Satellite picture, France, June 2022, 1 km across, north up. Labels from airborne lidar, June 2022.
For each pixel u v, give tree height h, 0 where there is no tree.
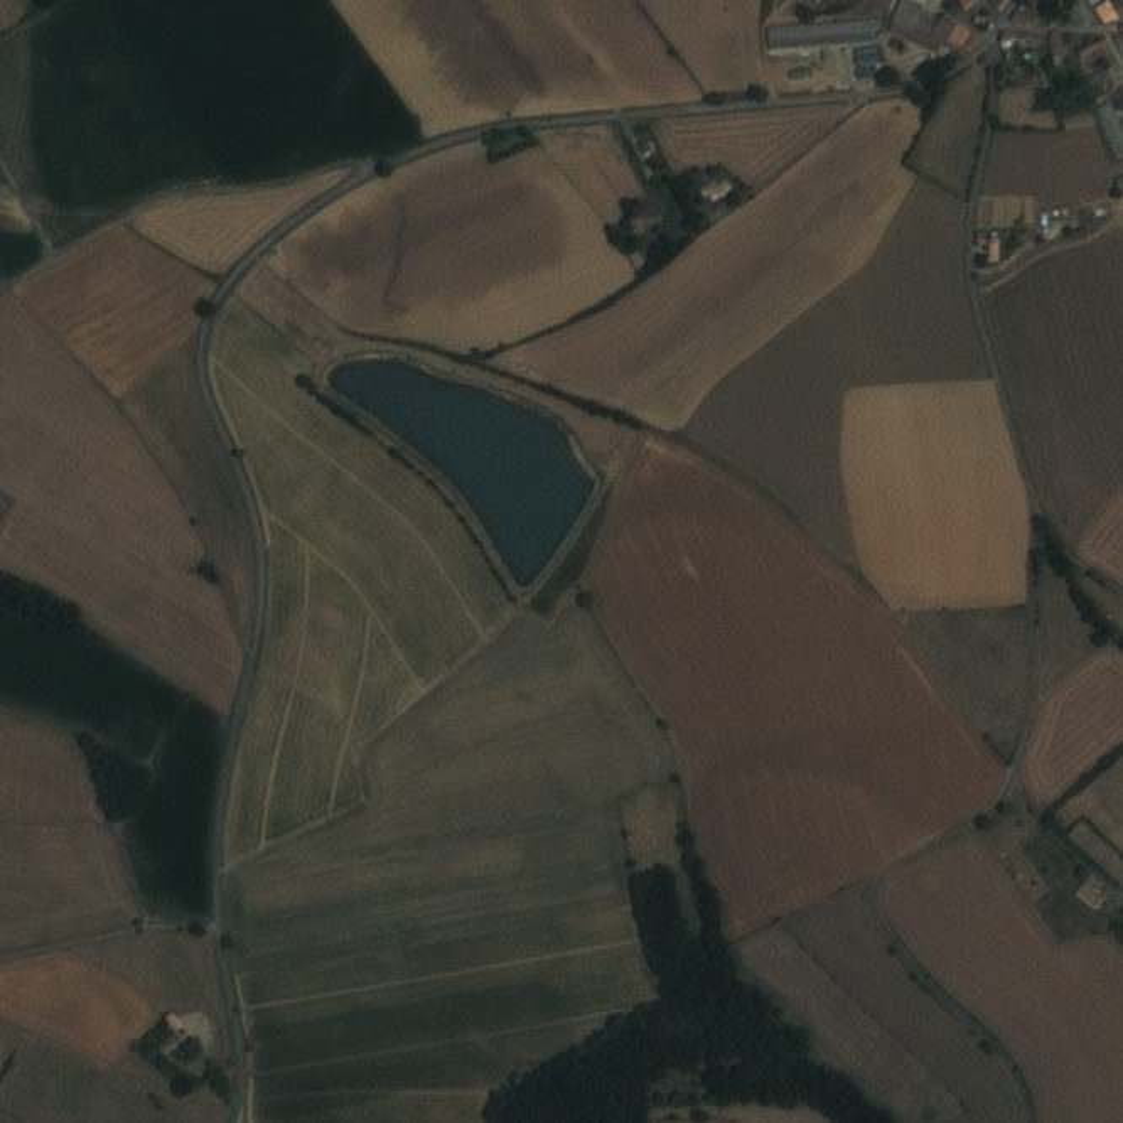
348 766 0
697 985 21
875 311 0
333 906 0
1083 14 0
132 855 0
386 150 0
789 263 0
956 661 0
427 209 0
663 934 21
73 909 0
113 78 0
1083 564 0
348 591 0
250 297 0
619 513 0
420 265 0
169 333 0
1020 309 0
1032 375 0
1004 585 0
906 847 0
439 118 0
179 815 0
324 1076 0
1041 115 0
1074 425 0
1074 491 0
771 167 0
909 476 0
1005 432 0
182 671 0
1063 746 0
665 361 0
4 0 0
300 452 0
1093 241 0
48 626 12
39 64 0
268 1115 0
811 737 0
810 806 0
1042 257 0
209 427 0
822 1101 19
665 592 0
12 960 0
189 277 0
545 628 0
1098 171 0
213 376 0
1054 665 0
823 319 0
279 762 0
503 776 0
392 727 0
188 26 0
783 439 0
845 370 0
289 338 0
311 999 0
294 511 0
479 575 0
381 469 0
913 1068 0
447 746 0
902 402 0
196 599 0
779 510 0
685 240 9
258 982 0
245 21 0
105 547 0
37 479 0
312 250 0
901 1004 0
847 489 0
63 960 0
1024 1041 0
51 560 0
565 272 0
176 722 0
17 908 0
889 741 0
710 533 0
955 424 0
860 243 0
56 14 0
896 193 0
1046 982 0
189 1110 0
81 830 0
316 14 0
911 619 0
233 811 0
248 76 0
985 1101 0
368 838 0
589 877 0
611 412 10
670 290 0
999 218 0
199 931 15
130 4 0
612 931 0
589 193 0
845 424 0
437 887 0
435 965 0
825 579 0
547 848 0
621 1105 17
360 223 0
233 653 0
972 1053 0
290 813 0
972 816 0
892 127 0
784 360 0
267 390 0
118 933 0
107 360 0
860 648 0
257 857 0
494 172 0
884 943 0
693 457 0
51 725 0
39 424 0
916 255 0
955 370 0
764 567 0
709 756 0
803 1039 27
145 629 0
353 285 0
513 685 0
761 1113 0
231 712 0
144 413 0
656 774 0
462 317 0
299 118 0
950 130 0
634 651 0
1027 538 0
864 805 0
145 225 0
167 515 0
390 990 0
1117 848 0
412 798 0
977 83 0
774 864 0
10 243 0
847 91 0
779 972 0
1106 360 0
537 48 0
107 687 0
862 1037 0
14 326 0
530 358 0
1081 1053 0
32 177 0
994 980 0
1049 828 11
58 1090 0
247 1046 6
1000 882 0
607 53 0
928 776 0
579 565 0
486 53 0
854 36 0
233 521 0
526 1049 0
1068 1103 0
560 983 0
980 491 0
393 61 0
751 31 0
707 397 0
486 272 0
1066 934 0
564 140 0
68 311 0
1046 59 9
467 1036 0
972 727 0
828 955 0
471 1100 0
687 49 0
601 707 0
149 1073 0
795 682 0
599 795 0
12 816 0
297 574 0
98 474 0
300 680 0
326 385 0
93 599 0
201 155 0
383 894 0
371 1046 0
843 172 0
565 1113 24
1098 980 0
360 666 0
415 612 0
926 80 13
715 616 0
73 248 0
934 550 0
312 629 0
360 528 0
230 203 0
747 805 0
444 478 0
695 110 0
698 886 10
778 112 0
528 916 0
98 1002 0
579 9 0
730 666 0
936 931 0
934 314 0
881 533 0
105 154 0
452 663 0
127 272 0
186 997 0
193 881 0
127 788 14
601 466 0
